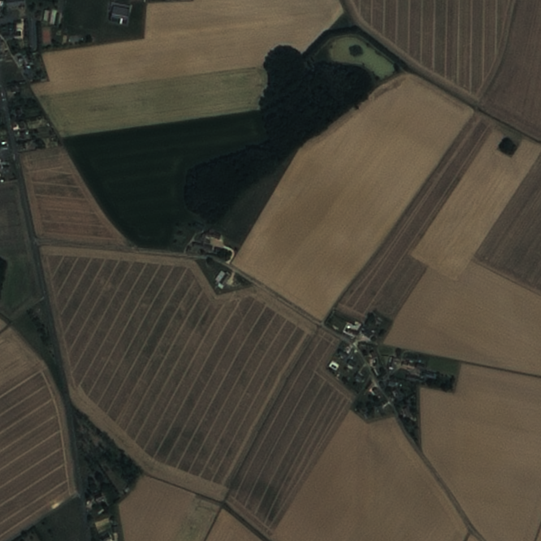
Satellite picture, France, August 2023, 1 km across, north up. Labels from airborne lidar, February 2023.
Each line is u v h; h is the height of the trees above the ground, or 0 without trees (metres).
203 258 0
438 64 0
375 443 0
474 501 0
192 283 0
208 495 0
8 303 0
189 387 0
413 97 0
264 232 0
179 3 0
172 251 0
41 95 0
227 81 0
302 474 0
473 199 0
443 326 0
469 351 0
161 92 0
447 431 0
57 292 0
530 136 0
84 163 0
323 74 21
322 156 0
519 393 0
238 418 0
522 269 0
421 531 0
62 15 0
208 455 0
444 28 0
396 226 0
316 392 0
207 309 0
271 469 0
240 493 0
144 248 0
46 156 0
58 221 0
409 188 0
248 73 0
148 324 0
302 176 0
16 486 0
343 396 0
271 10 0
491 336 0
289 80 18
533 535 0
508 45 0
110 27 0
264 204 0
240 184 15
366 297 0
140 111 0
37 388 0
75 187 0
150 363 0
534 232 0
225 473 0
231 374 0
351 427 0
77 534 0
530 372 0
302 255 0
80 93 0
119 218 0
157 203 0
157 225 0
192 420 0
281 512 0
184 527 0
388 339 0
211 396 0
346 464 0
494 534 0
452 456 0
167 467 0
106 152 0
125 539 0
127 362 0
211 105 0
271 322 0
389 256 0
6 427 0
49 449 0
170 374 0
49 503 0
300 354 0
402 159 0
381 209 0
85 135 0
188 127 0
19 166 0
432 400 0
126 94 0
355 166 0
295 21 0
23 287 0
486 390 0
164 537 0
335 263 0
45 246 0
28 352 0
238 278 0
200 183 16
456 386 0
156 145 0
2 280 12
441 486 0
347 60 0
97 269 0
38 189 0
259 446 0
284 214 0
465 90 0
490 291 0
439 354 0
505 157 0
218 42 0
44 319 0
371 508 0
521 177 0
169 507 0
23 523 0
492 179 0
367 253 0
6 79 0
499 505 0
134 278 0
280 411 0
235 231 0
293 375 0
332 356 0
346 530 0
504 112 0
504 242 0
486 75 0
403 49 0
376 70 0
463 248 0
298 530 0
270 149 12
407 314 0
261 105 9
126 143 0
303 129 15
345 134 0
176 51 0
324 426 0
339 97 19
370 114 0
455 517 0
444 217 0
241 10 0
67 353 0
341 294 0
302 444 0
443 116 0
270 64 13
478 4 0
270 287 0
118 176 0
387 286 0
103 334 0
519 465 0
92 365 0
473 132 0
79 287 0
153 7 0
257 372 0
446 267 0
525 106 0
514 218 0
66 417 0
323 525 0
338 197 0
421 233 0
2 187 0
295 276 0
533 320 0
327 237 0
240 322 0
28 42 0
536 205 0
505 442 0
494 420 0
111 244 0
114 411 0
